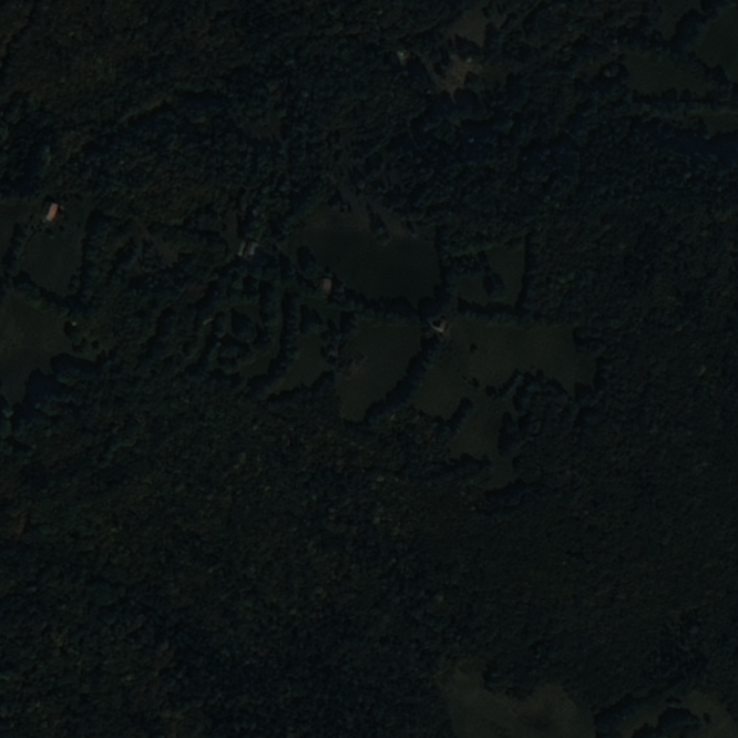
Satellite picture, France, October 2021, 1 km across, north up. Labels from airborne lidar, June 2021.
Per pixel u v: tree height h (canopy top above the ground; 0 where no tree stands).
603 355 13
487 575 21
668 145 19
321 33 26
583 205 27
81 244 0
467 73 0
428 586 25
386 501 21
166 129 26
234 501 25
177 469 22
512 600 21
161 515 28
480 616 20
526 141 18
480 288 0
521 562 23
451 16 18
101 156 29
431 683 17
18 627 24
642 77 0
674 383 20
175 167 26
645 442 25
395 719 18
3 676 20
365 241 0
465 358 0
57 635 23
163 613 33
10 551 31
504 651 19
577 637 17
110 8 23
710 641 19
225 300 17
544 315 9
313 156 23
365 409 0
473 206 21
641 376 17
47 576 29
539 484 16
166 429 21
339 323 0
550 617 21
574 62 22
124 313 22
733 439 20
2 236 0
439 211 21
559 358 0
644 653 19
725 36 0
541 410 17
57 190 13
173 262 0
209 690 32
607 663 20
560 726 0
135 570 26
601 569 20
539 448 17
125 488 28
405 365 0
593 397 14
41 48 23
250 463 27
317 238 0
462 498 19
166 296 25
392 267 0
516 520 20
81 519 26
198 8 24
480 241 20
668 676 13
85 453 19
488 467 17
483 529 23
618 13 20
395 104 17
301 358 0
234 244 0
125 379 23
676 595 18
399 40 10
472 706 0
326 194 12
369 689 25
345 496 29
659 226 24
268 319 15
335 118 22
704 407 23
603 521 24
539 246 16
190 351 16
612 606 17
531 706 0
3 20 22
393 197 6
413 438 15
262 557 28
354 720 26
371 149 17
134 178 27
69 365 15
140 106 28
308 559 20
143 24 23
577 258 17
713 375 20
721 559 21
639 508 22
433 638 27
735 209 20
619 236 22
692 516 22
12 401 0
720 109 21
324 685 30
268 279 16
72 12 19
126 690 20
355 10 23
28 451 21
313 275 17
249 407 20
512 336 0
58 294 0
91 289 19
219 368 9
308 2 30
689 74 18
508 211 21
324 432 23
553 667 23
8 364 0
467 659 16
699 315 24
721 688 17
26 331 0
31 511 22
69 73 29
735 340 21
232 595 21
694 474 25
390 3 26
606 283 22
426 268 0
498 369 0
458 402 0
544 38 19
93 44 22
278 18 21
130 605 30
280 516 19
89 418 24
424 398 0
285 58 27
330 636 22
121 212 21
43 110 21
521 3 18
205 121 22
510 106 18
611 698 22
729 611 17
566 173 26
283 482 28
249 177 23
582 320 19
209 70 27
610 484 25
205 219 23
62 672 20
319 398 13
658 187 23
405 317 20
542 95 23
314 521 26
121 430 21
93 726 24
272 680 28
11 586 19
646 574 17
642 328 24
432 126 17
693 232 24
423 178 22
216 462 19
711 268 24
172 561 26
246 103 20
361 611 22
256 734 30
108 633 25
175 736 24
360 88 19
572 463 23
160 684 29
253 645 23
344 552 22
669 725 17
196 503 26
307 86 21
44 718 14
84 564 37
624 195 22
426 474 14
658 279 22
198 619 29
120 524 23
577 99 19
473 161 23
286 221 19
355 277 0
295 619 24
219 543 26
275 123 0
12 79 24
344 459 18
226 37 23
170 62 26
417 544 21
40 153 24
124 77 25
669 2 0
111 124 26
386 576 24
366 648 22
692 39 24
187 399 31
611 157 22
